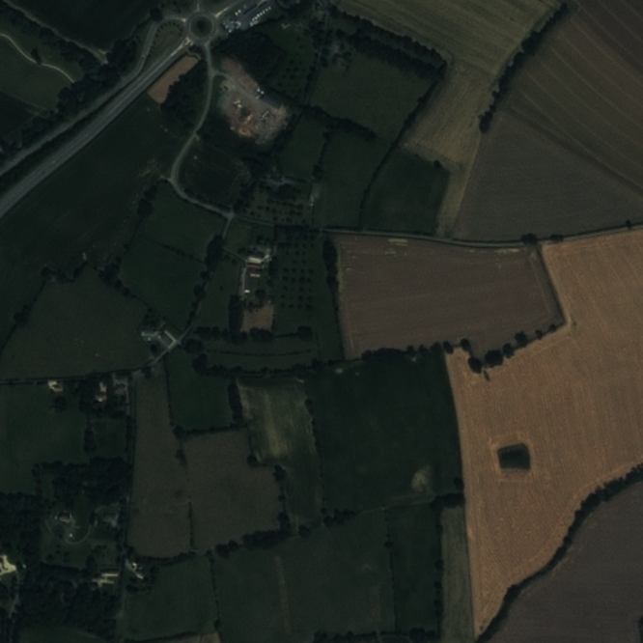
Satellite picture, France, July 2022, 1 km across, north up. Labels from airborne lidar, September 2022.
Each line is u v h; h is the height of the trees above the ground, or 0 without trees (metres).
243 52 7
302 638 0
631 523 0
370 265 0
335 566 0
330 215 0
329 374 0
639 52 0
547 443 0
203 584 0
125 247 10
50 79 0
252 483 0
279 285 0
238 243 0
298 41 6
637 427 0
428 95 7
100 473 18
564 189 0
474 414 0
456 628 0
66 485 26
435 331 0
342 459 0
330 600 0
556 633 0
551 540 0
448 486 0
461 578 0
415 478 0
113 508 0
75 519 0
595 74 0
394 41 9
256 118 0
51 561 10
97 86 27
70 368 0
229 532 0
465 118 0
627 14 0
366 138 17
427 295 0
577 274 0
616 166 0
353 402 0
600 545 0
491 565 0
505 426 0
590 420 0
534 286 0
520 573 0
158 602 0
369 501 0
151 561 12
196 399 0
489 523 0
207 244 0
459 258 0
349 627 0
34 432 0
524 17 0
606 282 0
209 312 0
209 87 0
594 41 0
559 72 0
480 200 0
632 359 0
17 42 0
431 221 0
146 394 0
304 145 0
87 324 0
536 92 0
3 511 18
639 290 0
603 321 0
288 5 16
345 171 0
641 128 0
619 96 0
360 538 0
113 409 8
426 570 0
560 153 0
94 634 8
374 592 0
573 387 0
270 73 7
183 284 0
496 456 0
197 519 0
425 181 0
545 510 0
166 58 0
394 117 0
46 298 0
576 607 0
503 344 0
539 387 0
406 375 0
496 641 0
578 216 0
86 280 0
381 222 0
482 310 0
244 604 0
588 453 0
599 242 0
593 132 0
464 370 0
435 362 0
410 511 0
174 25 6
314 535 0
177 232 0
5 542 8
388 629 0
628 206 0
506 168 0
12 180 8
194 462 0
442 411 0
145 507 0
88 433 11
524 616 0
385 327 0
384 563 0
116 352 0
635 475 22
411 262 0
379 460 0
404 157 0
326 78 0
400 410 0
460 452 0
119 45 16
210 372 6
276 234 8
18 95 0
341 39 17
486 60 0
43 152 10
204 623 0
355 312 0
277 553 0
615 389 0
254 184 11
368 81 0
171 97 15
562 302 0
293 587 0
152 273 0
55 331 0
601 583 0
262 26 8
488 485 0
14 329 8
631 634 0
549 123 0
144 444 0
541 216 0
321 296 0
